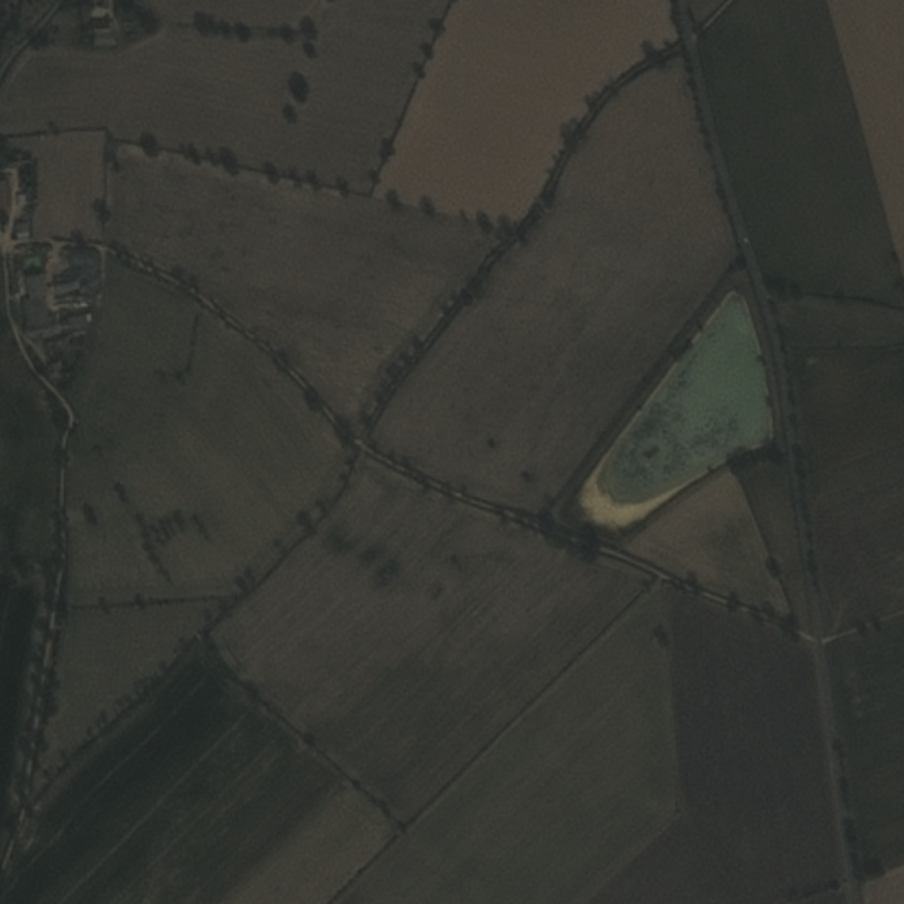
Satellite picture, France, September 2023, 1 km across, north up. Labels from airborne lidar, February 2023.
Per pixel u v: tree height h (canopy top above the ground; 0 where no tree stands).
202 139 0
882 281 0
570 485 0
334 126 0
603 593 0
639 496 0
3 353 0
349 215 0
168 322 0
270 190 0
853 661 0
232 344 0
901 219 0
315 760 0
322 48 0
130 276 0
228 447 0
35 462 0
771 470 0
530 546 0
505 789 0
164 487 0
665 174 0
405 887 0
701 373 0
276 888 0
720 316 0
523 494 0
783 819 0
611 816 0
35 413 0
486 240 0
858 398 0
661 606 0
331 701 0
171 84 0
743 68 0
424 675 0
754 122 0
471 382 0
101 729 14
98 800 0
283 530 0
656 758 0
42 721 13
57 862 0
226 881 0
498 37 0
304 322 0
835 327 0
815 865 0
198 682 0
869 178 0
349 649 0
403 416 0
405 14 0
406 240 0
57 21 0
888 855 0
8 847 0
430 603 0
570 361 0
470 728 0
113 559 0
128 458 0
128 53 0
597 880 0
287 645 0
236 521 0
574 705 0
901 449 0
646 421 0
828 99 0
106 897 0
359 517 0
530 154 0
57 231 0
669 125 0
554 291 0
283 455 0
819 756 0
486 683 0
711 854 0
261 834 0
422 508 0
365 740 0
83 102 0
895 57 0
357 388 0
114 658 0
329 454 0
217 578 0
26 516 0
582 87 0
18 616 0
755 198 0
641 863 0
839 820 0
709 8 0
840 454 0
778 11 0
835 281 0
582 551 17
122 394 0
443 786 0
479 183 0
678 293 0
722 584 0
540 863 0
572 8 0
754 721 0
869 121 0
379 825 0
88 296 0
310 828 0
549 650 0
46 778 11
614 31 0
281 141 0
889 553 0
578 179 0
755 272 0
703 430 0
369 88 0
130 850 0
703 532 0
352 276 0
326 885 0
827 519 0
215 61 0
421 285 0
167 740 0
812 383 0
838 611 0
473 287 14
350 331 0
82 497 0
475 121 0
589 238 0
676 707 0
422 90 0
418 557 0
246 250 0
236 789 0
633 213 0
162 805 0
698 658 0
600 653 0
